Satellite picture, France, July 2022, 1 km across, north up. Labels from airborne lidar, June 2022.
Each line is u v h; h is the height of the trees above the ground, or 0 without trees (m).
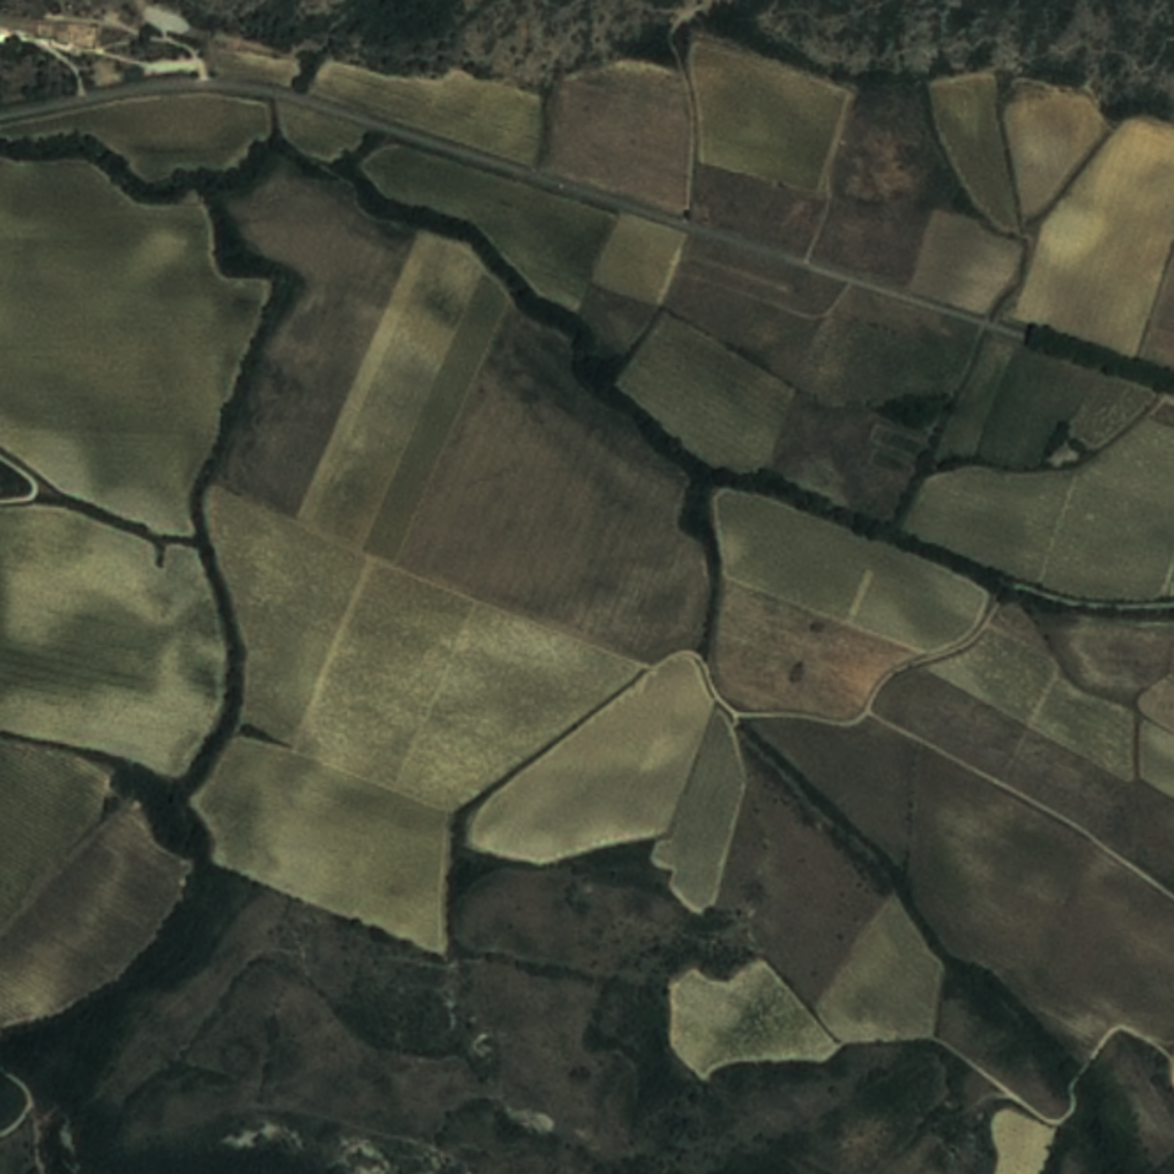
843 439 0
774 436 0
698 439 0
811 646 0
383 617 0
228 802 0
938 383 0
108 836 0
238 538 0
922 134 0
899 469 0
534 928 0
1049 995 0
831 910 0
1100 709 0
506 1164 0
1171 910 0
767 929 0
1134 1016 0
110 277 0
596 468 0
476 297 0
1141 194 0
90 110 0
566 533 0
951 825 0
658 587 0
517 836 0
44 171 0
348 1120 0
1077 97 0
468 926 0
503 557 0
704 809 0
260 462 0
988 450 0
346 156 12
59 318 0
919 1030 0
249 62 0
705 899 0
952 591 0
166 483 0
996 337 0
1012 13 0
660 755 0
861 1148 0
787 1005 0
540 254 0
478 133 0
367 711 0
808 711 0
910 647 0
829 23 0
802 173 0
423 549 0
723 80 0
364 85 0
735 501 0
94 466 0
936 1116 6
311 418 0
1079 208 0
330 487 0
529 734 0
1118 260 0
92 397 0
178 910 11
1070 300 0
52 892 0
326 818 0
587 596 0
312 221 0
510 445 0
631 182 0
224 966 0
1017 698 0
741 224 0
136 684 0
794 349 0
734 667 0
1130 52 0
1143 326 0
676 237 0
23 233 0
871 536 12
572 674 0
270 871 0
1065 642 0
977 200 0
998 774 0
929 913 0
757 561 0
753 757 0
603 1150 0
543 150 0
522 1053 0
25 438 0
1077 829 0
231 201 0
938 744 0
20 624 0
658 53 6
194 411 0
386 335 0
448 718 0
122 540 0
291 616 0
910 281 0
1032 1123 0
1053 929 0
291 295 0
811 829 0
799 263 0
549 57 0
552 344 0
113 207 0
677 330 0
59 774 0
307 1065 0
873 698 0
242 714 0
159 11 0
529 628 0
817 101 0
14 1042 7
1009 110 0
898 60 0
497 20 0
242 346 0
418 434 0
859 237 0
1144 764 0
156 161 0
